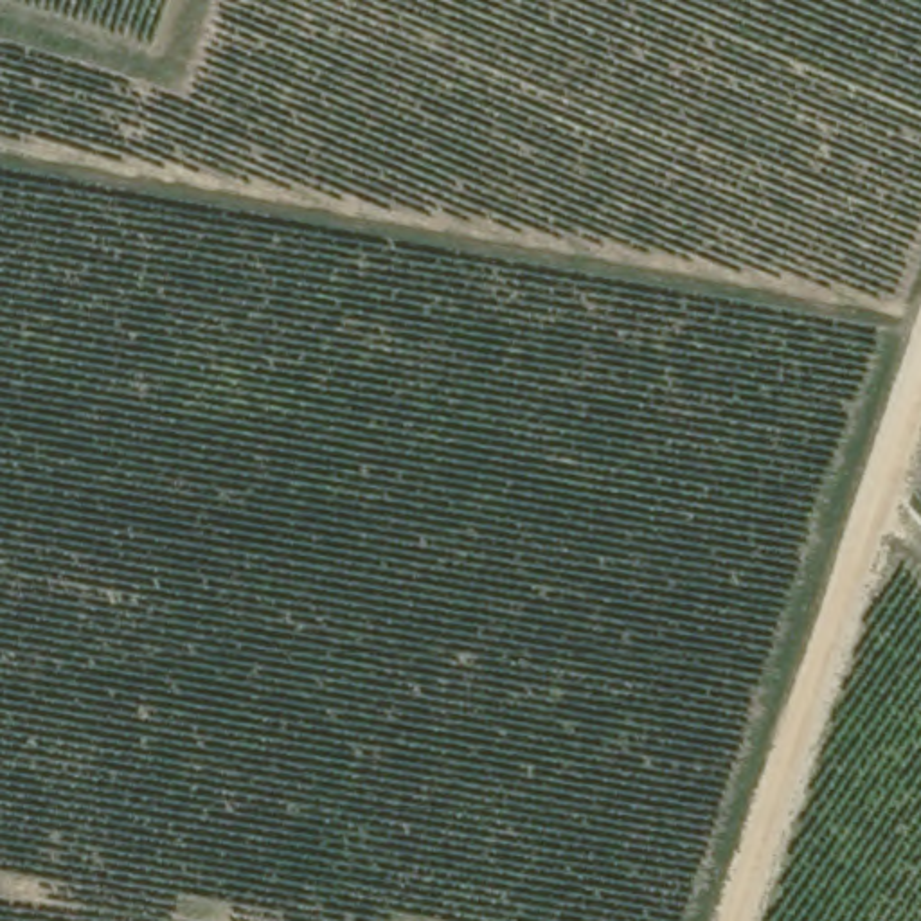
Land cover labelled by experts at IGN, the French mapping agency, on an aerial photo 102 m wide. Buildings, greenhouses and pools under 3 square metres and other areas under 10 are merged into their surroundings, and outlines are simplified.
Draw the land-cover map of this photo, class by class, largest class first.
<instances>
[{"label":"vineyard","instance_id":"1","mask_svg":"<svg viewBox=\"0 0 921 921\"><path fill-rule=\"evenodd\" d=\"M921 309V0H0V921H712L727 885L730 860L741 842L756 784L773 745L777 720L791 694L799 662L806 655V640L820 612V597L842 543L856 486L863 478L867 453L874 446L878 421L885 414L903 349ZM914 493L899 507L907 536L885 540L889 579L878 586L863 612L853 662L842 676L838 702L831 705L820 756L809 773L806 802L788 838L784 867L777 874L763 921H921V453L910 468Z\"/></svg>","mask_w":921,"mask_h":921},{"label":"pervious surface","instance_id":"2","mask_svg":"<svg viewBox=\"0 0 921 921\"><path fill-rule=\"evenodd\" d=\"M921 453V309L903 349L885 414L878 421L874 446L867 453L863 478L856 486L842 543L820 597V612L806 640V655L799 662L791 694L777 720L773 745L756 784L741 842L730 860L727 885L712 921H763L777 874L784 867L788 838L806 802L809 773L820 756L831 705L838 702L842 676L853 662L863 612L878 586L889 579L885 540L907 536L899 507L914 493L910 468Z\"/></svg>","mask_w":921,"mask_h":921}]
</instances>
